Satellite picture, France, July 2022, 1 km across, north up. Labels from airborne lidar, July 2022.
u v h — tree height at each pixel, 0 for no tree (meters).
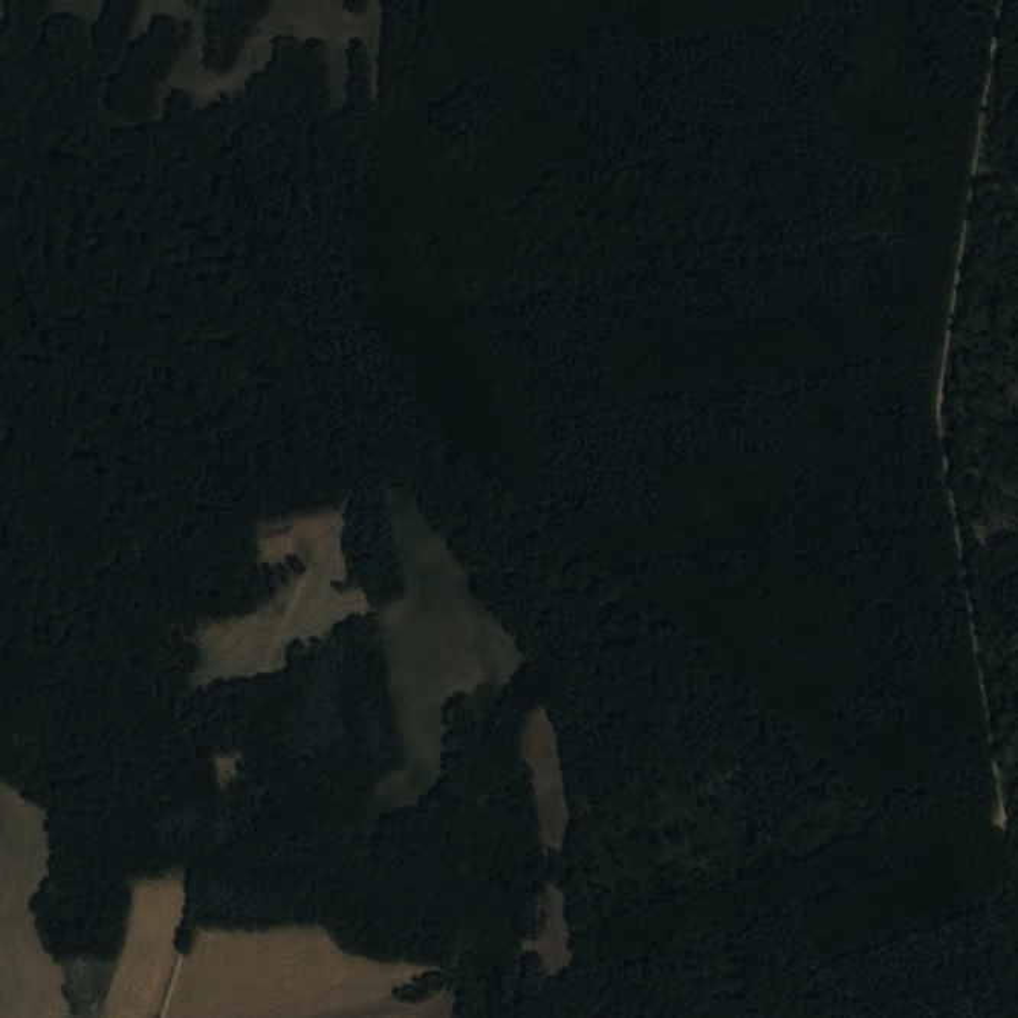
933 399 14
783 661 11
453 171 11
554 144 12
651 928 7
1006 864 16
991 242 22
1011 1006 20
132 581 22
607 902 20
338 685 24
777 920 17
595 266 13
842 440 11
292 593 0
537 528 23
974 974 18
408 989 11
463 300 9
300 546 0
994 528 17
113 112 21
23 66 22
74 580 23
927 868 16
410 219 13
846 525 19
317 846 24
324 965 0
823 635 14
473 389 13
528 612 22
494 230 6
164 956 0
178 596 24
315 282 23
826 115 16
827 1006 16
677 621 14
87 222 25
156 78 18
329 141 21
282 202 18
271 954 0
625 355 16
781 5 13
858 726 13
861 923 11
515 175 11
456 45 9
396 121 9
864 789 13
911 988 12
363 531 28
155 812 21
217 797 20
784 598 14
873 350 15
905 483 20
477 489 24
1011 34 23
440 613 0
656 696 21
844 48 15
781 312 19
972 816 14
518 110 11
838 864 16
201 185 22
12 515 21
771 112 21
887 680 19
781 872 15
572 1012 18
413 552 0
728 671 22
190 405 23
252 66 0
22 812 0
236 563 24
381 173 10
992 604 22
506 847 27
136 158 21
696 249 13
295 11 0
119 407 18
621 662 20
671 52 25
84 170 26
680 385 13
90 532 20
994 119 17
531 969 21
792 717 12
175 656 22
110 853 24
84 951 19
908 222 15
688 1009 16
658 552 13
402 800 0
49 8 15
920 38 15
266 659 0
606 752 27
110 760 21
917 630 19
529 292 15
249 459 23
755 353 15
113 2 17
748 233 17
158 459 21
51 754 22
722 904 7
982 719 17
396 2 19
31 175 26
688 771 22
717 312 20
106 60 16
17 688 22
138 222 19
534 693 20
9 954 0
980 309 21
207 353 20
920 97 13
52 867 13
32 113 16
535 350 18
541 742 0
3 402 19
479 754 19
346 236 21
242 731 21
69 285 20
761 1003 19
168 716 19
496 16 11
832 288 19
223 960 0
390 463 19
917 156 7
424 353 11
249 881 24
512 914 20
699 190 21
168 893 0
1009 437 24
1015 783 7
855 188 20
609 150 21
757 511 11
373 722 25
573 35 11
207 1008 0
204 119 23
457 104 23
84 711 20
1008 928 19
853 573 19
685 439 22
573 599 22
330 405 17
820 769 12
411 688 0
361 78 20
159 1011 0
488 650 0
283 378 21
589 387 23
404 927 19
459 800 16
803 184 17
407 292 10
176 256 23
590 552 12
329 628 0
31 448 20
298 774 25
